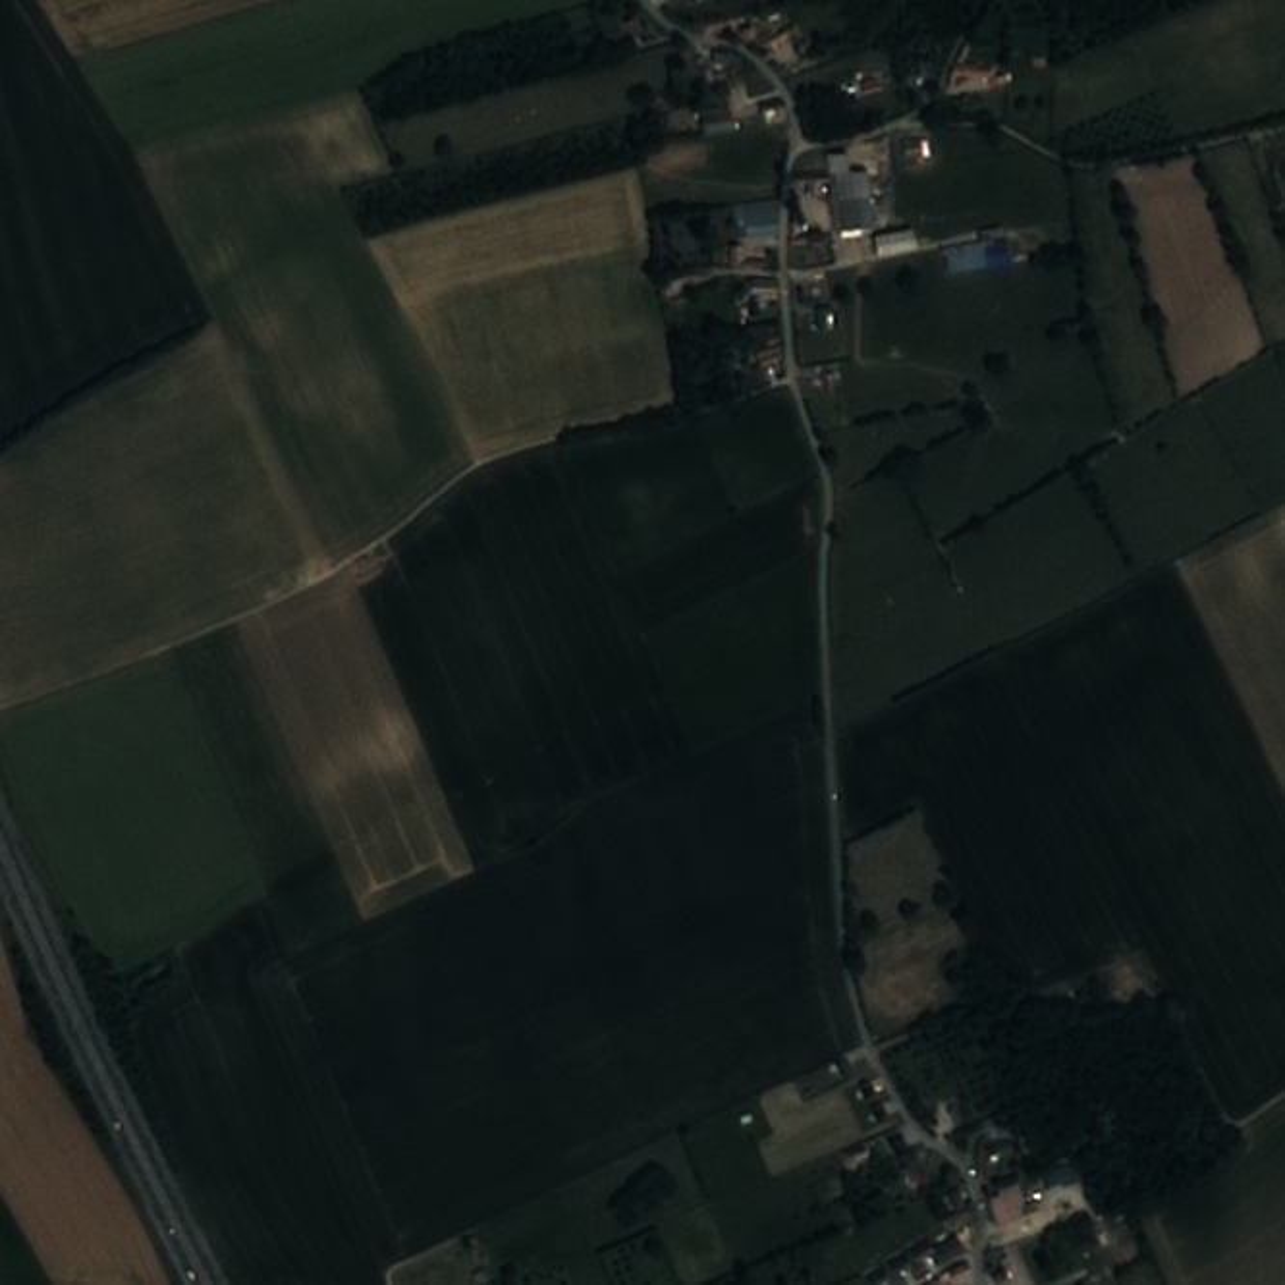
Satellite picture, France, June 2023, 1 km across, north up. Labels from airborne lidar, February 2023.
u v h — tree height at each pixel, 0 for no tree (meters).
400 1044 0
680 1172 0
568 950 0
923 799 0
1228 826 0
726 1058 0
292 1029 0
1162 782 0
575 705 0
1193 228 0
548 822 0
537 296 0
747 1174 0
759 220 0
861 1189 6
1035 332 0
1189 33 0
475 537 0
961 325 0
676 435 0
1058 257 17
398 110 13
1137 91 0
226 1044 0
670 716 0
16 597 0
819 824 0
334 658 0
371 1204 0
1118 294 0
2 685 0
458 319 0
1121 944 0
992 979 12
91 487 0
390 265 0
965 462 0
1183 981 0
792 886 0
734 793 0
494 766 0
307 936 0
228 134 0
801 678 0
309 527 0
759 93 0
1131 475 0
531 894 0
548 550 0
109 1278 0
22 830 0
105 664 0
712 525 0
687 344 10
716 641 0
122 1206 0
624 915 0
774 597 0
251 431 0
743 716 0
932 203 0
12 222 0
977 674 0
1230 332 0
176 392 0
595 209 0
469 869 0
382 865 0
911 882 0
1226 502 0
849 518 0
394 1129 0
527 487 0
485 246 0
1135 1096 14
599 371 0
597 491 0
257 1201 0
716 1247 0
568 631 0
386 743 0
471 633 0
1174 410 0
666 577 0
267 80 0
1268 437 0
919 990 0
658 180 0
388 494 0
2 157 0
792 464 0
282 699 0
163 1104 0
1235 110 0
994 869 0
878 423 8
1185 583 0
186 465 0
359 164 0
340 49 0
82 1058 0
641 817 0
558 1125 0
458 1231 0
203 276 0
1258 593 0
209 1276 0
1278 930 0
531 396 0
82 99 0
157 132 0
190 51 0
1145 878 0
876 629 0
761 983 0
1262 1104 0
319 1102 0
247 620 0
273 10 0
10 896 0
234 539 0
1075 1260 0
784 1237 0
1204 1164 15
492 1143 0
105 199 0
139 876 0
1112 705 0
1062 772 0
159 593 0
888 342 0
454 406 0
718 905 0
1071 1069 15
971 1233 0
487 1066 0
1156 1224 0
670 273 14
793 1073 0
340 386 0
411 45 0
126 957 0
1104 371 7
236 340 0
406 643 0
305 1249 0
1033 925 0
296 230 0
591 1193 0
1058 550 0
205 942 0
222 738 0
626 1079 0
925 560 0
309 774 0
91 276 0
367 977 0
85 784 0
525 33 7
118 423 0
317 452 0
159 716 0
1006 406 0
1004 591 0
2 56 0
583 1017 0
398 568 0
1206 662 0
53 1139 0
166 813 0
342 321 0
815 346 0
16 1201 0
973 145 0
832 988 0
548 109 0
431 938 0
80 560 0
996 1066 8
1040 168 0
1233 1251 0
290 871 0
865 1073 0
